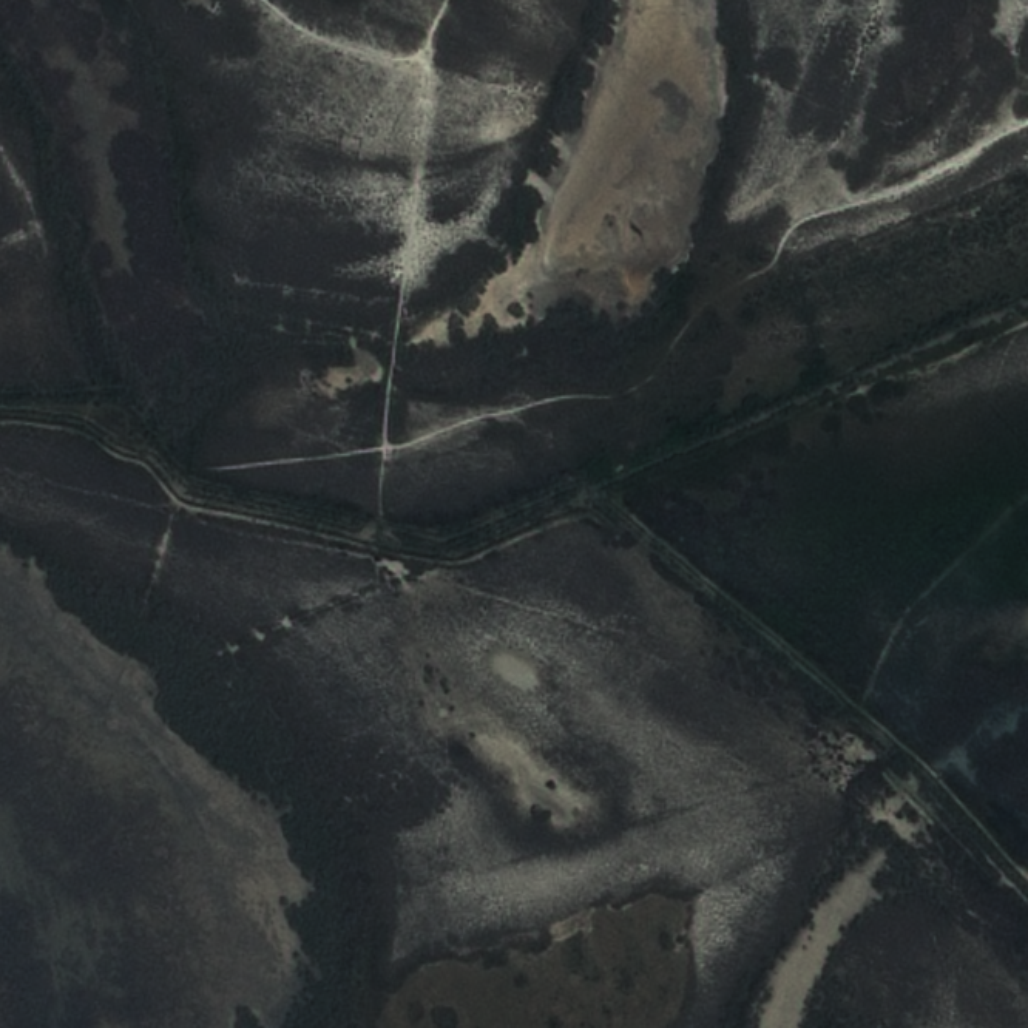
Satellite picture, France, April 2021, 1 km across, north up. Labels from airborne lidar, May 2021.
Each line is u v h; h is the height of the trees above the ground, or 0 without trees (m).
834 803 0
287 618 0
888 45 0
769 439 0
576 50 0
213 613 0
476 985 0
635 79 0
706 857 0
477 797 0
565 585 0
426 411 0
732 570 0
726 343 0
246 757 6
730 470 0
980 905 0
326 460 0
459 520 0
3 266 0
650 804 0
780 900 0
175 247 0
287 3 0
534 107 0
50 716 0
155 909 0
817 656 0
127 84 0
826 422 0
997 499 0
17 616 0
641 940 0
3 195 0
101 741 0
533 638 0
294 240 0
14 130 0
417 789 0
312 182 0
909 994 0
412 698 0
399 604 0
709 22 0
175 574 0
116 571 0
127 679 0
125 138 0
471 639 0
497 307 0
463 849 0
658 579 0
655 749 0
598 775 0
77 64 0
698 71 0
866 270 0
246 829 0
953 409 0
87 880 0
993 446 0
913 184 0
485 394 0
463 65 0
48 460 0
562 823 0
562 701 0
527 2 0
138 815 0
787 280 0
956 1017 0
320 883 6
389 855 0
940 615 0
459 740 0
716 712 0
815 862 0
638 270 0
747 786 0
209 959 0
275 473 0
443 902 0
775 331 0
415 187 0
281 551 0
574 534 0
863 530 0
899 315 0
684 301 0
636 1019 0
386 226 0
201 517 0
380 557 0
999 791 0
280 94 0
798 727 0
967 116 0
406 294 0
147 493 0
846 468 0
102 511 0
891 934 0
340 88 0
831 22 0
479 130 0
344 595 0
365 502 0
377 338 0
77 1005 0
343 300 0
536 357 0
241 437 0
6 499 0
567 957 0
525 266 0
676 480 0
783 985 0
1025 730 0
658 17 0
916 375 0
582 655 0
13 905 0
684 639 0
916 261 0
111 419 0
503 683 0
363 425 0
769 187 0
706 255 0
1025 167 0
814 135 0
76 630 0
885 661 0
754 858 0
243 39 0
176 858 0
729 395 0
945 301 0
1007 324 0
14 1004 0
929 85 0
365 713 0
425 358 0
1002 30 0
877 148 0
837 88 0
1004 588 0
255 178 0
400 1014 0
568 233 0
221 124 0
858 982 0
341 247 0
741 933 0
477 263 0
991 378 0
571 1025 0
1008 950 0
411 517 0
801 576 0
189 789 0
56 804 0
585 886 0
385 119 0
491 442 0
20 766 0
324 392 0
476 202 0
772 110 0
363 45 0
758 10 0
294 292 0
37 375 0
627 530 0
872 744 0
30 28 0
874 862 0
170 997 0
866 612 0
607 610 0
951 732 0
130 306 0
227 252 0
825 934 0
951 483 0
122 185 0
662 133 0
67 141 0
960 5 0
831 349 0
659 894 0
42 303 0
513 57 0
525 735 0
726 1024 6
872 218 0
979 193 0
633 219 0
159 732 0
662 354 0
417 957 0
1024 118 0
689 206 0
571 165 0
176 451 7
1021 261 0
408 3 0
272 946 0
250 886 0
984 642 0
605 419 0
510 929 0
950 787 0
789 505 0
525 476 0
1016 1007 0
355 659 0
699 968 0
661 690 0
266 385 0
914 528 0
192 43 0
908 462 0
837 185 0
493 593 0
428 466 0
